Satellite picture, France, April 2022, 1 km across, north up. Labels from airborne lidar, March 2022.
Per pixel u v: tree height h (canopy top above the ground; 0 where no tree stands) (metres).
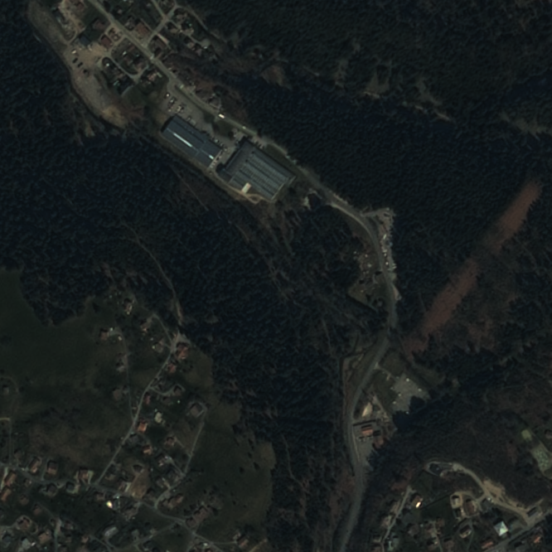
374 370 0
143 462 0
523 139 22
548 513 0
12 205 34
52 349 0
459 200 28
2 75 9
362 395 0
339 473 19
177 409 0
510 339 7
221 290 21
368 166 25
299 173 0
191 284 14
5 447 10
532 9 9
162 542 0
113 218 14
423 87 0
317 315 19
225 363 22
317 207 31
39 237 10
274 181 0
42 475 0
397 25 23
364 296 0
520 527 0
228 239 18
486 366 27
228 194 10
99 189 28
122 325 17
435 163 9
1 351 0
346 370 0
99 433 0
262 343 44
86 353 0
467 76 20
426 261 26
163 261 9
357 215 0
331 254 23
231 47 14
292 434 13
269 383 21
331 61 27
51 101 27
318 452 11
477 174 28
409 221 30
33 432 0
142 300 20
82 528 8
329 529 13
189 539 0
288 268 18
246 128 0
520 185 21
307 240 7
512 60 20
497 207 23
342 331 9
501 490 0
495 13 33
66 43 0
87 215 30
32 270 26
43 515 0
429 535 0
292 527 9
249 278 31
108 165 26
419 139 27
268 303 21
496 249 0
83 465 0
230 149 0
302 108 29
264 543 0
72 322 0
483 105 16
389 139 25
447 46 22
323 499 16
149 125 9
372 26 16
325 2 23
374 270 0
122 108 0
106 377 0
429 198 22
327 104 24
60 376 0
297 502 6
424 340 0
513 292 0
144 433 0
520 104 15
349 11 21
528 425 13
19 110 30
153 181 26
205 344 12
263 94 23
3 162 33
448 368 26
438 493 9
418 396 0
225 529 0
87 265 25
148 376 0
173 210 17
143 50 0
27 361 0
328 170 31
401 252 28
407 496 0
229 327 16
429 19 28
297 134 29
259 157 0
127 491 0
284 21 16
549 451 0
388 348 0
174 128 0
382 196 34
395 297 0
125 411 0
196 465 0
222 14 20
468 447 6
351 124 25
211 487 0
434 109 29
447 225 22
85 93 0
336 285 11
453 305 0
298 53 25
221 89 14
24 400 0
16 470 0
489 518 12
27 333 0
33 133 18
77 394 0
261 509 0
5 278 0
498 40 15
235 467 0
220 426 0
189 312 23
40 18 0
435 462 0
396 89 29
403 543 0
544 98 22
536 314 24
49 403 0
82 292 19
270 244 13
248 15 21
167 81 0
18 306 0
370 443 0
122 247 6
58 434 0
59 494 0
